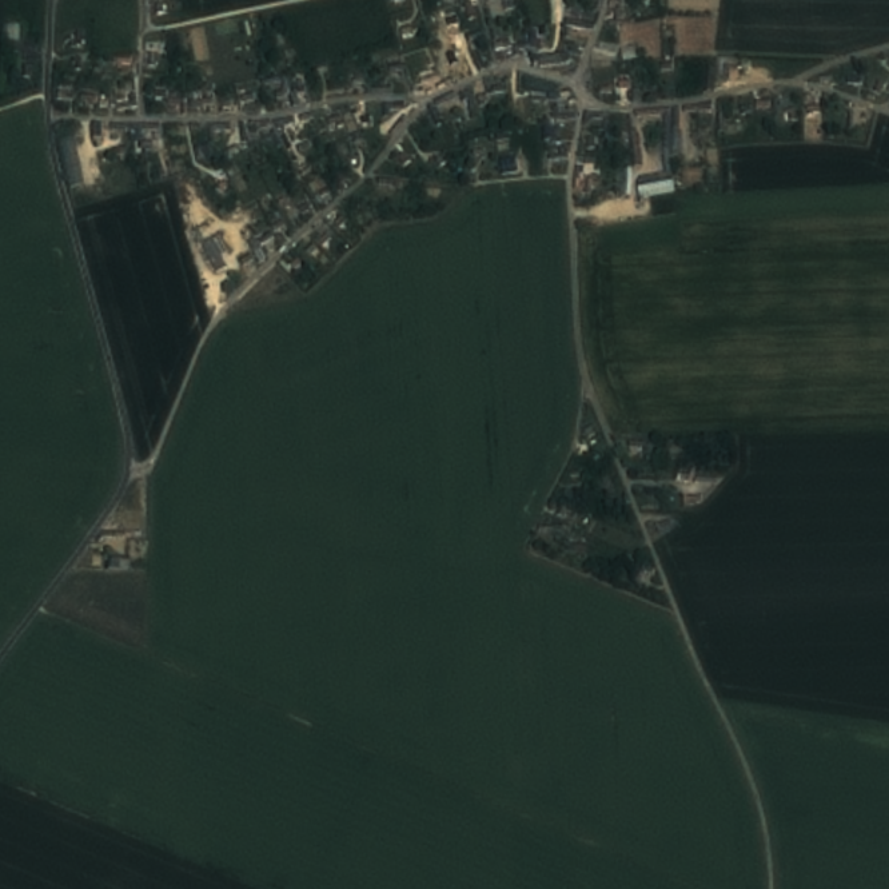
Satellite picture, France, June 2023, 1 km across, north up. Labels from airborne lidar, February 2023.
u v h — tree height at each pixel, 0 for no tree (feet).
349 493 0
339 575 0
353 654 0
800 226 0
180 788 0
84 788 0
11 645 0
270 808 0
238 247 0
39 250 0
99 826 0
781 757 0
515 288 0
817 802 0
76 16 0
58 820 0
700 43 0
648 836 0
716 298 0
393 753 0
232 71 0
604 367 0
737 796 0
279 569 0
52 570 0
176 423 0
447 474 0
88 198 0
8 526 0
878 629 0
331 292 0
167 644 0
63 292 0
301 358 0
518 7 38
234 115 0
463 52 0
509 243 0
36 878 0
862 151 0
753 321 0
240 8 0
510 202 0
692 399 0
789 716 0
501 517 0
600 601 0
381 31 0
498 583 0
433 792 0
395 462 0
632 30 0
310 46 0
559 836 0
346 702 0
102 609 0
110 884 0
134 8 0
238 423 0
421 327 0
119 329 0
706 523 0
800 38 0
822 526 0
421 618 0
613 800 0
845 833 0
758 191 0
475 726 0
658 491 20
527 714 0
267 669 0
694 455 27
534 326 0
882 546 0
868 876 0
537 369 0
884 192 0
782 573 0
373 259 0
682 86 25
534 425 0
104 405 0
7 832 0
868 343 0
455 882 0
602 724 0
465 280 0
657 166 0
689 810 0
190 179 0
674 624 0
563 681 0
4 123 0
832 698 0
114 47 0
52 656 0
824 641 0
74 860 0
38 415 0
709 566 0
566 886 0
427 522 0
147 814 0
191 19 0
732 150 0
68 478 0
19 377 0
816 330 0
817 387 0
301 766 0
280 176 28
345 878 0
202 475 0
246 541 0
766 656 0
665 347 0
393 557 0
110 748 0
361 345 0
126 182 0
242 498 0
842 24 0
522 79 0
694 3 0
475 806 0
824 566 0
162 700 0
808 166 0
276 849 0
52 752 0
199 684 0
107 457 0
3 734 0
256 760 0
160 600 0
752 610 0
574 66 0
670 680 0
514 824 0
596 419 0
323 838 0
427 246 0
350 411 0
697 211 0
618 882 0
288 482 0
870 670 0
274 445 0
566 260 0
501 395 0
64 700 0
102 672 0
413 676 0
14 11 0
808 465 0
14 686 0
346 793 0
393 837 0
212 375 0
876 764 0
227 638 0
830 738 0
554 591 0
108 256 0
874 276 0
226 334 0
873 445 0
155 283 0
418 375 0
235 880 0
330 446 0
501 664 0
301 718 0
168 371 0
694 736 0
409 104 0
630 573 32
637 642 0
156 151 0
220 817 0
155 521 0
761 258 0
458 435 0
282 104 0
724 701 0
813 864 0
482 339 0
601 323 0
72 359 0
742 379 0
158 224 0
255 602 0
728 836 0
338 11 0
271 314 0
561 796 0
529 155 0
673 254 0
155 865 0
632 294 0
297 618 0
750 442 0
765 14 0
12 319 0
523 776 0
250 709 0
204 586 0
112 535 0
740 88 0
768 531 0
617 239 0
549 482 0
